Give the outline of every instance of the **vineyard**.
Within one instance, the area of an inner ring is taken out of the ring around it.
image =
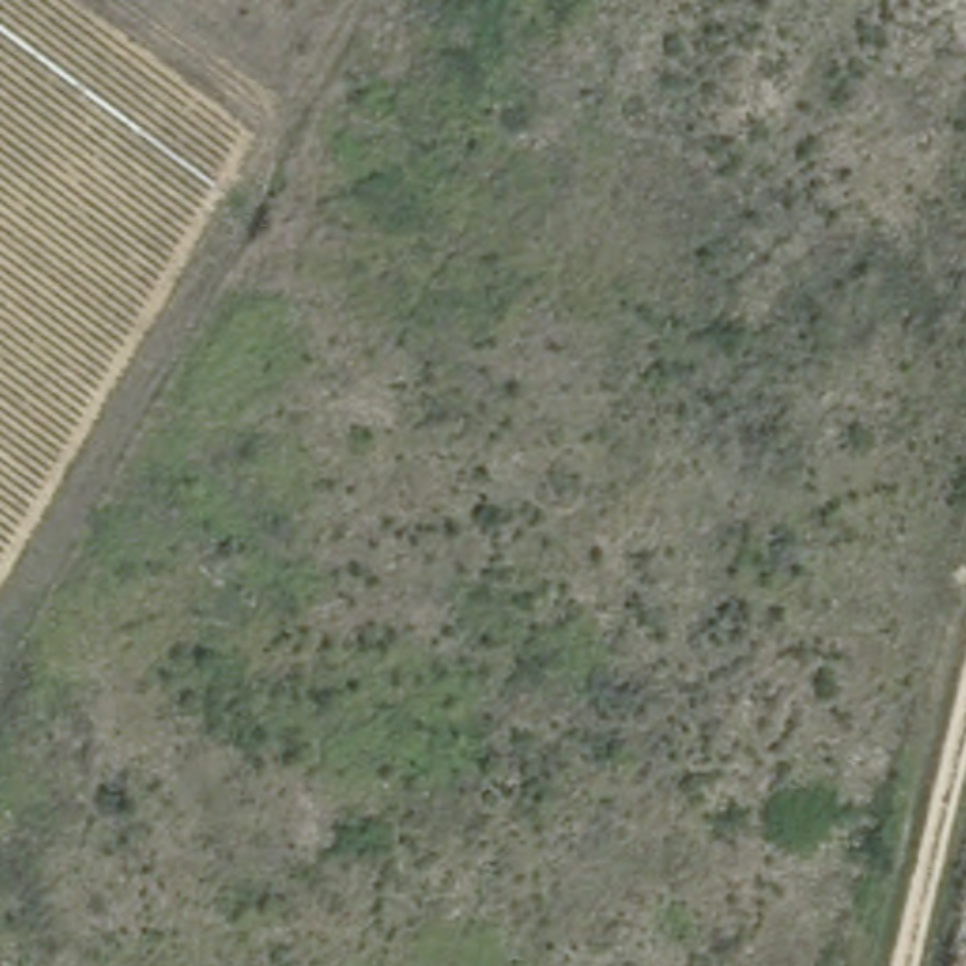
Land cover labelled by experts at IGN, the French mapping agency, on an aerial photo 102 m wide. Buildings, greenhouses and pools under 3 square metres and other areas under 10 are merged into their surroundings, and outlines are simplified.
[[[125,374],[128,358],[136,355],[143,332],[166,306],[174,279],[196,249],[215,204],[226,200],[226,192],[234,189],[242,158],[249,151],[249,132],[242,128],[242,121],[234,121],[219,102],[196,91],[189,79],[181,79],[151,49],[132,42],[121,26],[106,23],[83,0],[0,0],[0,585],[8,581],[30,532],[38,528],[45,506],[53,502],[72,457],[91,434],[106,396]]]

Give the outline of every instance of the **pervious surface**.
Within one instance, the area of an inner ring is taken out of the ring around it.
[[[917,868],[909,879],[894,940],[898,966],[921,966],[966,785],[966,664],[958,675],[958,694],[928,800]]]

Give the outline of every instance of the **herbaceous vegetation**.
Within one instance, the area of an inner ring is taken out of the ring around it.
[[[966,785],[921,966],[966,966]]]
[[[249,151],[242,158],[234,189],[226,192],[226,200],[215,204],[196,249],[174,279],[166,306],[143,332],[136,355],[128,358],[125,374],[106,396],[91,434],[72,457],[53,502],[45,506],[38,528],[30,532],[8,581],[0,585],[0,966],[898,966],[894,940],[909,879],[917,868],[928,800],[958,694],[958,675],[966,664],[966,0],[589,0],[562,26],[562,45],[532,42],[532,49],[517,60],[521,106],[528,106],[532,125],[521,132],[498,132],[509,147],[543,155],[543,162],[555,174],[551,196],[558,200],[558,208],[547,211],[543,230],[528,234],[532,272],[547,272],[543,283],[528,287],[509,306],[502,325],[494,328],[491,351],[475,351],[457,321],[434,328],[411,321],[358,325],[355,309],[343,309],[347,264],[355,260],[351,238],[317,219],[321,192],[351,185],[340,170],[340,155],[317,136],[325,106],[340,102],[347,91],[362,91],[366,79],[400,79],[411,64],[411,49],[426,45],[430,23],[445,11],[441,0],[83,0],[106,23],[121,26],[132,42],[151,49],[181,79],[189,79],[196,91],[219,102],[234,121],[242,121],[242,128],[249,132]],[[419,581],[449,585],[453,566],[483,570],[487,555],[502,555],[502,566],[536,566],[547,589],[570,581],[581,615],[604,626],[604,664],[577,679],[551,679],[543,672],[543,679],[532,691],[517,691],[509,683],[491,687],[479,709],[494,717],[494,728],[487,732],[487,747],[475,762],[475,774],[464,774],[460,781],[430,781],[419,774],[408,774],[400,785],[389,785],[385,777],[362,777],[358,785],[347,777],[306,777],[294,762],[279,762],[279,747],[260,747],[264,774],[257,774],[238,747],[219,747],[204,732],[200,717],[181,713],[177,698],[166,698],[158,683],[155,668],[162,664],[170,645],[196,645],[200,638],[196,615],[185,611],[189,585],[211,581],[223,589],[226,581],[253,577],[268,596],[294,600],[306,615],[306,626],[321,626],[325,634],[355,638],[362,623],[411,623],[415,638],[430,638],[449,619],[449,611],[426,604],[419,596]]]

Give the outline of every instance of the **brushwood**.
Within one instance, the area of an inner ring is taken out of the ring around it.
[[[400,79],[366,79],[362,91],[347,91],[340,102],[325,106],[317,136],[340,155],[340,170],[351,185],[321,192],[317,219],[351,238],[355,260],[347,264],[343,309],[355,309],[358,325],[411,321],[434,328],[457,321],[475,351],[491,351],[494,328],[502,325],[509,306],[528,287],[543,283],[547,272],[532,272],[528,234],[543,230],[547,211],[558,208],[558,200],[551,196],[555,174],[543,162],[543,155],[509,147],[498,132],[521,132],[532,125],[528,106],[521,106],[517,60],[532,49],[532,42],[562,45],[562,26],[589,0],[441,0],[445,11],[430,23],[426,45],[411,49],[411,64]]]
[[[475,762],[487,747],[487,732],[494,728],[494,717],[479,709],[491,687],[509,683],[517,691],[532,691],[543,679],[543,672],[551,679],[577,679],[604,664],[604,626],[581,615],[570,581],[547,589],[536,566],[502,566],[502,555],[487,555],[483,570],[453,566],[449,585],[419,581],[419,596],[426,604],[449,611],[449,619],[430,638],[415,638],[411,623],[362,623],[355,638],[325,634],[321,626],[306,626],[306,615],[294,600],[268,596],[253,577],[226,581],[223,589],[211,581],[189,585],[185,611],[196,615],[200,638],[196,645],[170,645],[162,664],[155,668],[158,683],[166,698],[177,698],[181,713],[200,717],[204,732],[219,747],[238,747],[257,774],[264,774],[260,747],[279,747],[279,762],[294,762],[306,777],[347,777],[358,785],[362,777],[385,777],[389,785],[400,785],[408,774],[419,774],[430,781],[460,781],[464,774],[475,774]]]

